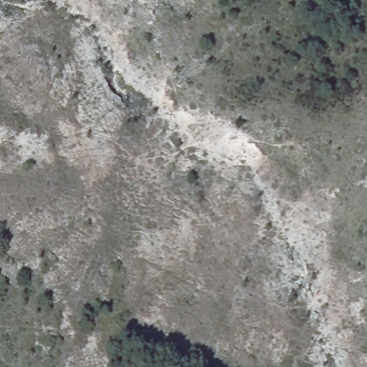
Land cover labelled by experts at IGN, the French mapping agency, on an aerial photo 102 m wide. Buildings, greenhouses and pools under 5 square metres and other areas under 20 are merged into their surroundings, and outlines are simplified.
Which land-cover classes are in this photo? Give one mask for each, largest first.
<instances>
[{"label":"bare soil","instance_id":"1","mask_svg":"<svg viewBox=\"0 0 367 367\"><path fill-rule=\"evenodd\" d=\"M198 0H0V82L3 83L1 92L4 93V100H9L11 106L23 109L29 119L27 129L22 133L0 126V301H6L9 285L17 281L23 287L24 302H29L32 270L40 267V258L46 255V249H53L59 257V262L50 265L49 272L44 274L43 284L49 288L44 291V295L52 310L53 301L62 302L65 308L60 325L62 335L75 333V328L83 317L86 302L93 304L96 300H110L113 301V310L118 314L130 310L140 324L153 325L165 335L182 333L191 343L205 344L206 347L212 348L215 357L224 361L228 367H367V356L361 353V348L351 344L353 331L343 330L335 333L334 328L341 324L343 318L351 315L356 317V324H364V321H367V151L363 155L356 153L351 158L341 159L338 166H333L328 171L327 181H315L314 172L304 162L307 152L302 151L300 142L291 139L282 142L275 140V136L285 132V126L275 128L271 119L245 123L244 118H239L241 108L221 110L212 99H205L204 102L199 99L202 90L192 86L194 79L191 76L205 69L208 54L198 59L195 57L188 69H182L183 44L169 46L168 34H163L159 24L155 22L156 17L162 16L163 10H176L178 14H185L186 19H191L192 14L189 11L194 9ZM108 354L97 348L95 335H89L85 347L73 350L66 358L65 367H108Z\"/></svg>","mask_w":367,"mask_h":367},{"label":"herbaceous vegetation","instance_id":"2","mask_svg":"<svg viewBox=\"0 0 367 367\"><path fill-rule=\"evenodd\" d=\"M310 10L307 9L304 0H198L194 9L189 11L192 14L191 19H186L185 14H178L176 10H163L162 16L156 17L155 22L159 24L163 34H168L169 46L183 44L182 69H188L195 57L198 59L208 54L205 69L191 76L194 79L192 86L202 90L199 99L204 102L205 99H212L221 110L241 108L239 118H244L245 123L271 119L275 128L285 126V132L275 136V140L282 142L291 139L300 142L302 151L307 152L304 162L314 172L315 181H327L328 171L333 166H338L341 159L351 158L356 153L363 155L367 151V0H363L358 14L366 20L363 40L354 42V46L345 44L344 50L337 47V52L330 53L323 37L314 36L305 26V16ZM3 83L0 82V126L22 133L27 129L29 119L23 109L11 106L9 100H4V93L1 92Z\"/></svg>","mask_w":367,"mask_h":367},{"label":"coniferous trees","instance_id":"3","mask_svg":"<svg viewBox=\"0 0 367 367\"><path fill-rule=\"evenodd\" d=\"M307 9L310 10L305 16V26L314 36L323 37L330 53L337 52V47L344 50L345 44L354 46V42L363 40L366 20L358 14L363 0H304ZM83 317L75 328V333L83 330L89 335H95L97 348L108 354V367H228L224 361L215 357L212 348L206 347L205 344L191 343L182 333L165 335L153 325L140 324L130 310L118 314L113 310V301L110 300H96L93 304L86 302Z\"/></svg>","mask_w":367,"mask_h":367},{"label":"brushwood","instance_id":"4","mask_svg":"<svg viewBox=\"0 0 367 367\"><path fill-rule=\"evenodd\" d=\"M59 262V257L53 249H46V255L40 258V267L32 270L29 302H24L23 287L17 281L9 285L6 301H0V367H65L66 358L73 350L85 347L89 335L83 330L75 333L62 335L60 325L65 308L62 302L53 301L52 310L44 295V291L49 288L43 284L44 274L49 272L50 265ZM335 333L343 330L353 331L351 344L361 348V353L367 356V321H364V324H356V317L351 315L343 318L341 324L334 328Z\"/></svg>","mask_w":367,"mask_h":367}]
</instances>
